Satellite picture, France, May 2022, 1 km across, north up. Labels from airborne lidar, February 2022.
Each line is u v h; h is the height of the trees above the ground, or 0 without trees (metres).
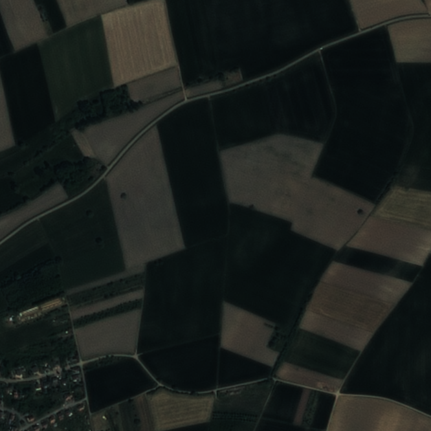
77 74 0
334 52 0
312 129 0
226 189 0
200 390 0
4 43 0
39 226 0
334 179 0
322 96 0
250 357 0
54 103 0
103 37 0
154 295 0
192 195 0
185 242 0
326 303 0
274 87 0
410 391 0
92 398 0
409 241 0
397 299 0
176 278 0
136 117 0
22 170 0
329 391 0
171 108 0
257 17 0
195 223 0
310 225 0
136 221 0
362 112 0
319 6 0
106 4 0
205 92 0
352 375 0
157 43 0
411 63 0
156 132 0
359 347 0
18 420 0
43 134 0
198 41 0
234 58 0
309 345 0
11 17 0
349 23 0
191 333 0
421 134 0
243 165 0
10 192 0
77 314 0
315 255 0
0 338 0
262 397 0
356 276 0
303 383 0
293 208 0
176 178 0
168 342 0
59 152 0
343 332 0
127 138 0
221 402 0
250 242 0
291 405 0
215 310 0
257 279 0
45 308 0
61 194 0
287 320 0
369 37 0
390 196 0
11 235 0
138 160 0
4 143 0
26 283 12
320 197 0
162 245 0
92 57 0
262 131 0
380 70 0
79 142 0
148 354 0
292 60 0
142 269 0
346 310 0
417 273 0
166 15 0
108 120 0
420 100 0
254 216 0
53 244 0
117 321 0
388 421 0
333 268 0
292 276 0
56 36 0
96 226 0
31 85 0
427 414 0
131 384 0
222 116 0
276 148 0
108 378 0
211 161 0
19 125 0
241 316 0
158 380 9
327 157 0
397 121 0
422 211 0
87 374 0
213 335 0
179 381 0
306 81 0
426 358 0
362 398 0
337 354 0
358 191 0
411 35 0
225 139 0
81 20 0
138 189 0
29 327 0
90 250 0
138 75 0
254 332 0
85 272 0
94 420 0
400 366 0
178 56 0
